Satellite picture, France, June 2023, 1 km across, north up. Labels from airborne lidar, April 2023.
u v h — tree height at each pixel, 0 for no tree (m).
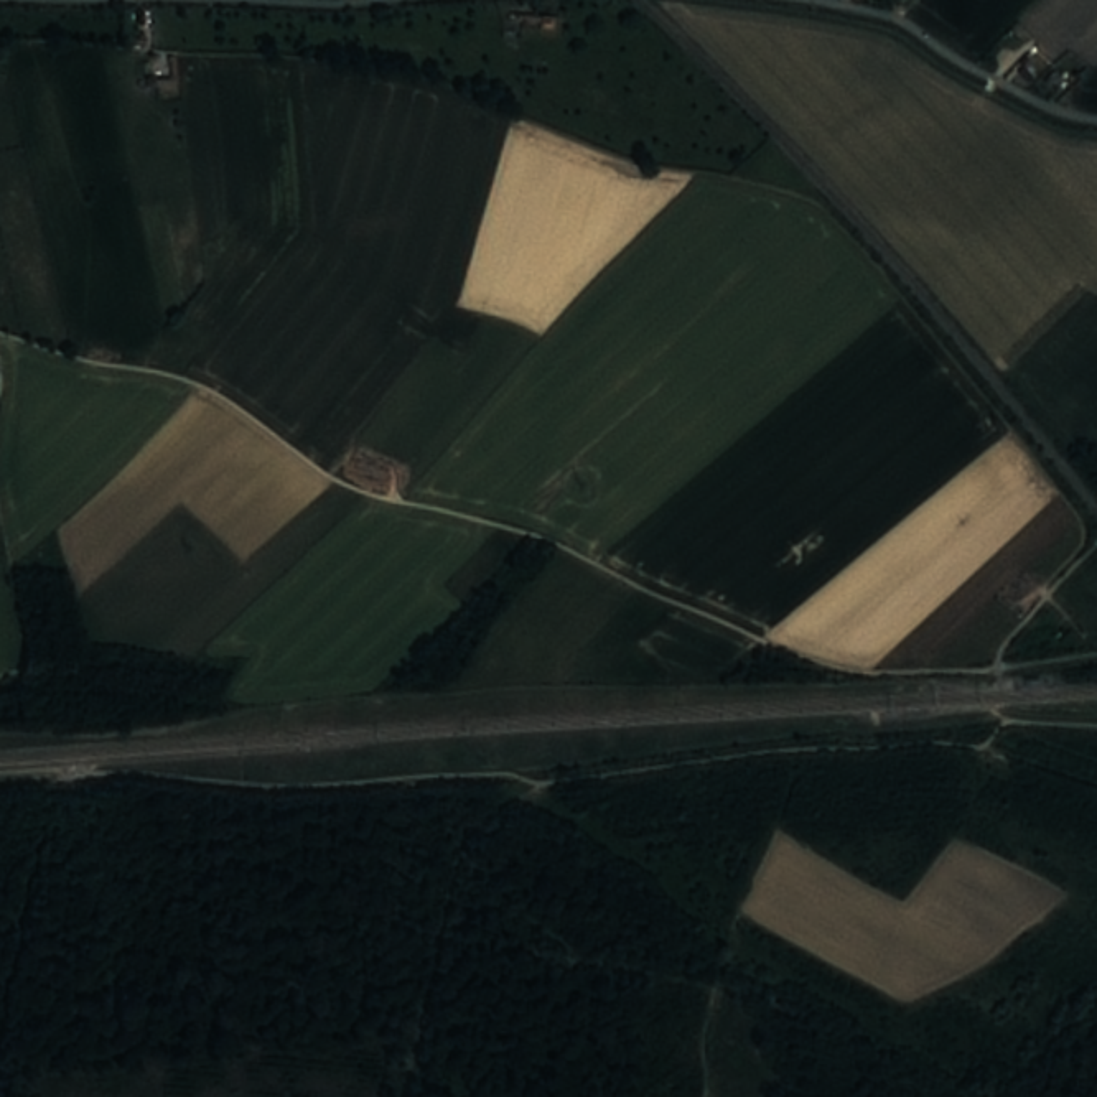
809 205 0
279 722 0
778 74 0
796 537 0
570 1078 10
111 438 0
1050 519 0
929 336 0
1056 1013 13
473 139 0
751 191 0
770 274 0
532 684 0
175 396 0
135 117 0
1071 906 0
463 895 14
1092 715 0
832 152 0
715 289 0
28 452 0
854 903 0
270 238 0
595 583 0
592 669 0
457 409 0
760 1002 19
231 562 0
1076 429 0
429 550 0
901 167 0
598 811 9
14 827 21
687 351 0
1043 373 0
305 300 0
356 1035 24
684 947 15
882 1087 15
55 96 0
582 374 0
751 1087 0
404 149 0
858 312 0
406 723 0
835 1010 9
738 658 0
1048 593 0
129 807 19
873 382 0
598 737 0
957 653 0
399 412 0
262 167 0
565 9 6
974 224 0
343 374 0
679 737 0
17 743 0
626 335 0
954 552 0
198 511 0
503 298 0
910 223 0
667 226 0
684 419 0
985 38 0
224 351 0
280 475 0
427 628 0
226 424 0
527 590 0
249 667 0
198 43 0
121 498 0
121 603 0
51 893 21
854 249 0
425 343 0
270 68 0
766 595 0
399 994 17
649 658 0
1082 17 0
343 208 0
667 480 0
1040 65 0
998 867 0
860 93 0
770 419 0
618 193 0
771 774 8
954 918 0
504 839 23
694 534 0
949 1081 9
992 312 0
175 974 24
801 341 0
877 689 0
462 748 0
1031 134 0
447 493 0
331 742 0
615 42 0
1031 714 0
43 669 17
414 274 0
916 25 0
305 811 17
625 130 0
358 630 0
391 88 0
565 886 19
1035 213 0
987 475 0
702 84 0
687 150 0
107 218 0
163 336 0
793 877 0
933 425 0
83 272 0
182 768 0
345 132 0
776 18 0
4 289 0
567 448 0
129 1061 18
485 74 7
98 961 12
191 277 0
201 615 0
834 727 0
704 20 0
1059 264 0
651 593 0
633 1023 19
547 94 0
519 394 0
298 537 0
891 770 6
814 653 0
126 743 0
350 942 23
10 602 0
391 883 22
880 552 0
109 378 0
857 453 0
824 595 0
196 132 0
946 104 0
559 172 0
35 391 0
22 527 0
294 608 0
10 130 0
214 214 0
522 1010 21
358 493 0
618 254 0
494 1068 20
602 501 0
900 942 0
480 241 0
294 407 0
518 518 0
